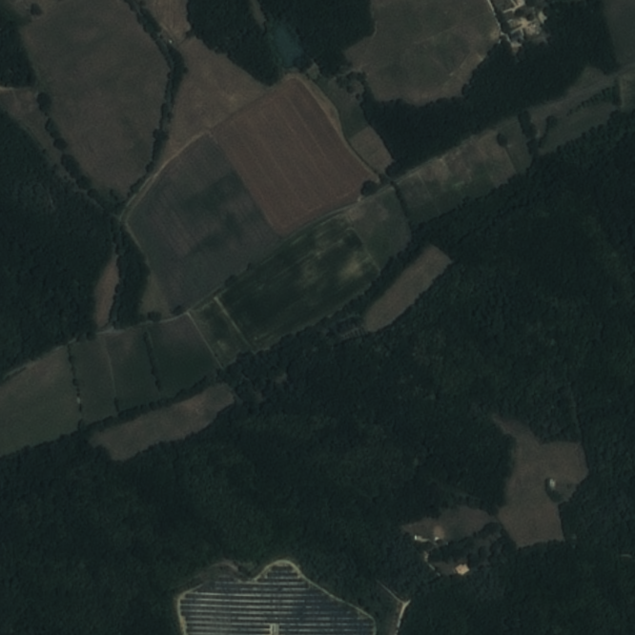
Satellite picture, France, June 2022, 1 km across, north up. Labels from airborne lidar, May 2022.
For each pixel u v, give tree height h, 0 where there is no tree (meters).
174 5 0
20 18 0
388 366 18
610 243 24
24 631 7
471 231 9
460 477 17
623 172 14
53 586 17
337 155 0
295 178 0
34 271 26
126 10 0
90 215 13
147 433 0
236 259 0
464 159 0
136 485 14
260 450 23
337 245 0
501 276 18
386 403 22
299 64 23
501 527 8
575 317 17
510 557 12
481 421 11
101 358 0
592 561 15
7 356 13
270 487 21
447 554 16
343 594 8
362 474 22
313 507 26
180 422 0
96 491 19
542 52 17
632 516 25
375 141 0
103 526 16
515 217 15
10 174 15
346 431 22
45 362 0
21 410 0
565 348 19
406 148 18
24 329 18
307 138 0
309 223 0
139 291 19
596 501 14
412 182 0
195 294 0
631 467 20
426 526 0
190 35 12
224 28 16
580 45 15
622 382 18
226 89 0
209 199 0
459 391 14
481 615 16
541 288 14
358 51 0
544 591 15
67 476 18
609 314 16
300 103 0
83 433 14
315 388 23
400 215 0
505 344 19
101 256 15
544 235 15
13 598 18
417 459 17
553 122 15
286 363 21
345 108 0
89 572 26
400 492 18
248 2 23
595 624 17
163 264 0
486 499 12
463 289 15
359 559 24
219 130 0
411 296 0
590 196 12
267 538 15
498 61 16
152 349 7
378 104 15
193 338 0
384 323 0
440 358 20
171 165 0
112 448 0
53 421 0
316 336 16
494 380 18
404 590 17
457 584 15
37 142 6
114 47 0
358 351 24
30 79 22
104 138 0
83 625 18
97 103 0
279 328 0
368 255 0
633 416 19
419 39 0
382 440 19
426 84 0
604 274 20
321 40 19
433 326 19
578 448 0
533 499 0
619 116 20
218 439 19
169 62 8
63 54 0
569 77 15
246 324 0
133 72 0
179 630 8
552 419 14
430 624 13
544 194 8
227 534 15
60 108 0
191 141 0
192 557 16
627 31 0
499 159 0
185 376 0
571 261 11
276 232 0
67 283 27
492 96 17
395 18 0
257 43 21
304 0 20
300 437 19
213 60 0
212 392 0
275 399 23
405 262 13
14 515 23
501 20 11
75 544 18
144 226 0
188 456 18
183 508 15
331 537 26
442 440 18
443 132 24
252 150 0
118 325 15
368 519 24
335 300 0
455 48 0
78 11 0
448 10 0
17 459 11
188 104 0
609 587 19
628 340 21
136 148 0
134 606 20
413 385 17
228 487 19
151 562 15
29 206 14
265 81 11
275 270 0
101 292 0
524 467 0
